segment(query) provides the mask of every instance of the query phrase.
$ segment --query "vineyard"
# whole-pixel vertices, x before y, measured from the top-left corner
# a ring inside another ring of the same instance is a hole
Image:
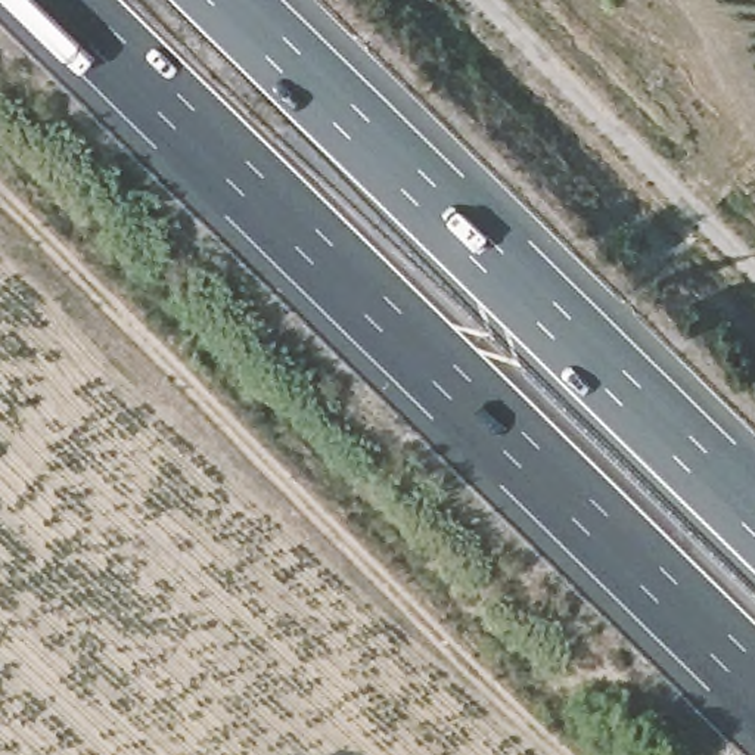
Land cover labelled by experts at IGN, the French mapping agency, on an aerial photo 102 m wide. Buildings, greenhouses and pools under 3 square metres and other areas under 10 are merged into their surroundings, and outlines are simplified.
[[[0,755],[457,755],[457,746],[469,743],[469,728],[463,728],[466,720],[487,717],[487,708],[460,684],[451,684],[448,693],[436,693],[439,678],[445,678],[445,669],[436,669],[431,664],[442,661],[445,655],[425,634],[419,634],[401,616],[401,610],[351,563],[351,557],[327,534],[321,534],[274,481],[268,481],[242,454],[242,448],[221,431],[221,425],[189,395],[189,389],[177,383],[177,378],[168,375],[162,366],[156,366],[150,354],[127,330],[121,330],[115,319],[103,313],[97,301],[86,298],[83,289],[59,265],[47,260],[41,245],[29,239],[29,233],[0,206]]]
[[[734,9],[734,18],[743,21],[746,32],[752,35],[755,53],[755,0],[723,0]]]

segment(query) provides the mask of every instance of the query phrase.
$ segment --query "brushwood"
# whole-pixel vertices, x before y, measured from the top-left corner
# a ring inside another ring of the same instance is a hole
[[[581,145],[581,139],[516,74],[507,71],[507,65],[495,53],[490,53],[472,35],[469,6],[463,0],[348,0],[357,9],[357,18],[372,24],[378,35],[383,35],[389,44],[410,56],[410,62],[434,86],[434,91],[439,91],[463,115],[469,115],[475,130],[481,130],[510,162],[516,162],[516,168],[525,171],[540,192],[552,192],[560,209],[578,218],[578,233],[596,242],[605,262],[616,265],[634,283],[640,298],[649,298],[675,321],[675,327],[684,336],[696,339],[726,372],[726,380],[734,389],[755,395],[755,280],[746,277],[743,283],[731,286],[720,271],[734,265],[734,257],[723,254],[720,260],[708,260],[699,248],[687,248],[684,236],[699,227],[699,215],[684,215],[678,206],[672,206],[655,209],[652,203],[640,201],[637,192],[631,192],[587,145]]]

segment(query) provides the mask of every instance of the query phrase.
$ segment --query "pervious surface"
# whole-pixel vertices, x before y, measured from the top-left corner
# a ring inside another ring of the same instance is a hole
[[[593,91],[584,77],[572,74],[560,62],[560,56],[504,0],[463,0],[469,6],[484,12],[487,21],[493,21],[495,29],[501,29],[522,50],[522,56],[540,74],[546,74],[569,103],[575,103],[584,112],[584,118],[590,118],[616,147],[622,147],[631,156],[631,162],[649,180],[658,183],[658,189],[667,195],[672,206],[678,206],[684,215],[699,215],[699,227],[684,236],[687,248],[699,248],[708,260],[720,260],[723,254],[734,257],[734,265],[720,271],[731,286],[743,283],[746,277],[755,280],[755,248],[749,248],[740,236],[731,233],[731,227],[720,218],[717,209],[708,201],[696,198],[702,186],[711,183],[708,177],[678,180],[678,174],[664,156],[658,156],[625,121],[616,118],[605,94]]]
[[[369,546],[351,534],[351,528],[336,513],[327,510],[327,504],[301,478],[292,475],[292,469],[271,448],[265,448],[257,431],[251,431],[224,404],[218,392],[212,392],[201,380],[201,366],[183,363],[162,342],[162,336],[156,336],[145,324],[142,313],[133,310],[118,295],[118,289],[106,283],[91,265],[86,265],[77,248],[65,242],[53,227],[47,227],[41,215],[29,209],[27,201],[9,186],[0,180],[0,206],[29,233],[29,239],[41,245],[47,260],[59,265],[83,289],[86,298],[97,301],[103,313],[115,319],[121,330],[127,330],[150,354],[156,366],[162,366],[168,375],[177,378],[177,383],[189,389],[189,395],[221,425],[221,431],[242,448],[242,454],[268,481],[274,481],[321,534],[327,534],[351,557],[351,563],[401,610],[401,616],[419,634],[425,634],[445,655],[442,661],[431,664],[436,669],[445,669],[445,678],[439,678],[436,693],[448,693],[451,684],[460,684],[487,708],[487,717],[466,720],[463,728],[469,728],[469,743],[457,746],[457,755],[575,755],[543,720],[537,720],[510,687],[504,687],[504,681],[493,675],[487,664],[481,664],[454,637],[454,631],[445,622],[439,622],[434,608],[425,605],[401,581],[398,572],[380,563],[380,557],[375,557]]]

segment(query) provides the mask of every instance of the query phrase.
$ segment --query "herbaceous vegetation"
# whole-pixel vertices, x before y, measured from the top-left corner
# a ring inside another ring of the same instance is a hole
[[[159,201],[180,201],[186,192],[168,177],[162,177],[159,168],[153,168],[147,153],[121,153],[103,145],[97,127],[91,127],[88,118],[68,109],[65,94],[9,83],[0,53],[0,94],[15,106],[24,106],[24,115],[32,127],[38,124],[41,112],[53,109],[56,121],[62,121],[88,147],[91,171],[118,168],[121,192],[150,192]]]
[[[434,569],[428,569],[425,554],[407,552],[410,563],[398,572],[401,581],[425,605],[434,608],[439,622],[445,622],[454,631],[454,637],[481,664],[487,664],[493,675],[504,681],[504,687],[510,687],[537,720],[543,720],[543,705],[554,693],[546,687],[537,687],[531,669],[516,675],[510,658],[513,652],[507,649],[507,643],[484,628],[481,616],[469,616],[457,608],[457,599],[451,596],[448,584]]]
[[[24,168],[15,168],[15,180],[9,186],[27,201],[29,209],[41,215],[53,201]]]
[[[351,378],[342,375],[330,360],[324,360],[307,336],[286,327],[280,310],[262,298],[257,283],[236,268],[236,262],[227,262],[221,268],[201,254],[195,242],[195,221],[189,215],[171,206],[159,206],[147,209],[147,215],[165,221],[162,239],[168,245],[168,257],[183,260],[192,268],[218,274],[230,289],[230,298],[245,301],[245,313],[257,319],[260,345],[286,348],[292,366],[298,372],[313,375],[313,401],[319,416],[336,425],[339,434],[351,436],[354,445],[363,448],[372,460],[372,469],[383,469],[386,463],[392,463],[389,442],[395,439],[386,431],[366,428],[357,416],[348,413],[348,401],[354,395]]]
[[[731,233],[740,236],[749,248],[755,248],[755,180],[746,183],[740,192],[723,198],[717,209],[720,218],[731,227]]]

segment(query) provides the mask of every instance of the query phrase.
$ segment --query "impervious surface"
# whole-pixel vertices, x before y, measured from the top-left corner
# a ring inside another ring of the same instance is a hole
[[[348,401],[348,413],[357,416],[366,428],[386,431],[395,439],[410,442],[413,454],[425,466],[425,475],[442,481],[442,501],[436,504],[436,510],[442,513],[442,519],[454,519],[463,531],[478,537],[481,560],[490,566],[490,581],[504,599],[504,605],[510,610],[560,625],[560,640],[569,646],[566,669],[572,675],[554,675],[546,687],[554,693],[578,690],[593,681],[628,681],[628,708],[622,717],[646,717],[652,728],[669,740],[672,755],[755,755],[755,395],[734,389],[726,380],[726,372],[696,339],[684,336],[675,327],[675,321],[649,298],[640,298],[634,283],[616,265],[605,262],[596,242],[578,233],[578,218],[560,209],[552,192],[540,192],[525,171],[516,168],[516,162],[510,162],[481,130],[475,130],[469,115],[463,115],[439,91],[434,91],[434,86],[410,62],[410,56],[389,44],[383,35],[378,35],[372,24],[357,18],[357,9],[348,0],[0,0],[0,53],[9,83],[65,94],[68,109],[88,118],[91,127],[97,127],[103,145],[121,153],[147,153],[153,168],[159,168],[162,177],[168,177],[186,192],[180,201],[159,201],[159,206],[171,206],[189,215],[195,221],[195,242],[201,254],[221,268],[227,262],[236,262],[236,268],[257,283],[262,298],[280,310],[286,327],[307,336],[324,360],[330,360],[342,375],[351,378],[354,395]]]

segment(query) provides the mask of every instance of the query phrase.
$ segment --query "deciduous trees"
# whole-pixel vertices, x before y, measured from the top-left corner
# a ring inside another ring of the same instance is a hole
[[[327,510],[336,513],[351,528],[351,534],[369,546],[375,557],[380,557],[380,563],[398,572],[410,563],[407,552],[425,554],[428,569],[434,569],[448,584],[451,596],[457,599],[457,608],[469,616],[481,616],[484,628],[507,643],[507,649],[513,652],[510,658],[516,675],[531,669],[537,687],[546,687],[554,675],[572,675],[566,669],[569,646],[560,640],[560,625],[510,610],[504,605],[504,599],[490,581],[490,566],[481,560],[478,537],[463,531],[454,519],[442,519],[442,513],[436,510],[436,504],[442,501],[442,481],[425,475],[425,466],[413,454],[410,442],[395,439],[389,442],[392,463],[386,463],[383,469],[372,469],[372,460],[363,448],[354,445],[351,436],[339,434],[336,425],[319,416],[313,401],[313,375],[298,372],[292,366],[286,348],[260,345],[257,319],[245,313],[245,301],[230,298],[230,289],[218,274],[192,268],[183,260],[168,257],[168,245],[162,239],[165,221],[147,215],[147,209],[159,206],[159,201],[150,192],[121,192],[118,168],[91,171],[88,147],[62,121],[56,121],[53,109],[41,112],[38,124],[32,127],[24,115],[24,106],[15,106],[0,94],[0,180],[9,186],[15,180],[15,168],[24,168],[53,201],[41,215],[47,227],[53,227],[65,242],[77,248],[86,265],[91,265],[106,283],[118,289],[118,295],[133,310],[142,313],[145,324],[156,336],[162,336],[162,342],[183,363],[201,366],[201,380],[212,392],[218,392],[224,404],[251,431],[257,431],[265,448],[271,448],[292,469],[292,475],[301,478],[327,504]]]
[[[628,708],[628,681],[593,681],[578,690],[554,693],[543,705],[543,720],[575,755],[672,755],[669,740],[652,728],[646,717],[622,717]]]

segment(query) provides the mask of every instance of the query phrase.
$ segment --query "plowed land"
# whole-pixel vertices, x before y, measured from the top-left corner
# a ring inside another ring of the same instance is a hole
[[[631,156],[622,147],[616,147],[590,118],[584,118],[584,112],[575,103],[569,103],[546,74],[540,74],[522,56],[522,50],[501,29],[495,29],[493,21],[487,21],[484,12],[469,6],[472,35],[490,53],[495,53],[507,65],[507,71],[516,74],[581,139],[581,145],[587,145],[631,192],[637,192],[640,201],[652,203],[655,209],[672,206],[667,195],[658,189],[658,183],[649,180],[631,162]]]
[[[734,9],[723,0],[504,0],[560,56],[560,62],[572,74],[584,77],[593,91],[605,94],[616,118],[625,121],[658,156],[664,156],[678,174],[678,180],[708,177],[711,183],[702,186],[696,198],[708,201],[717,209],[723,198],[740,192],[746,183],[755,180],[755,53],[752,35],[746,32],[743,21],[734,18]]]

